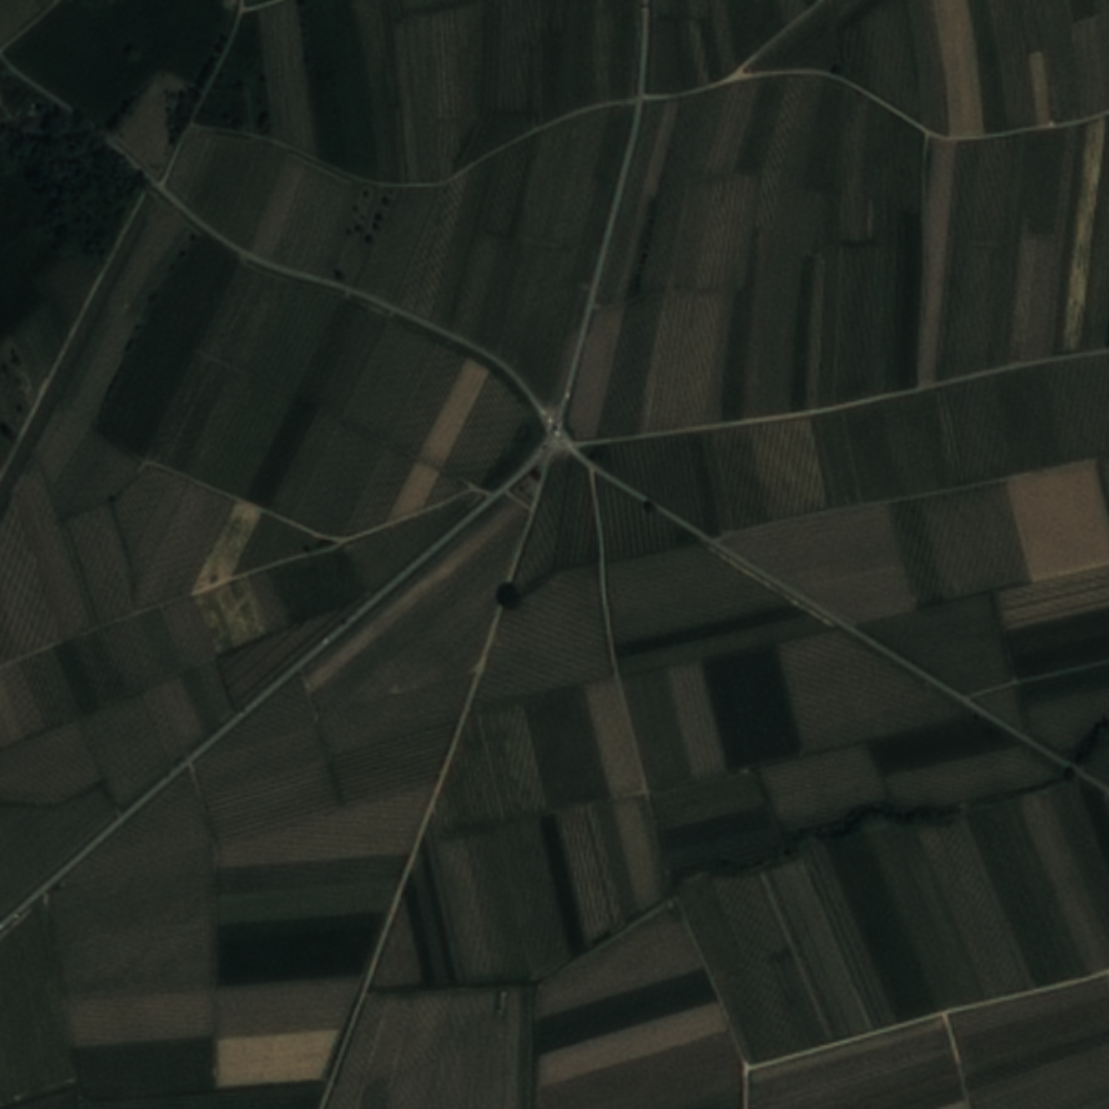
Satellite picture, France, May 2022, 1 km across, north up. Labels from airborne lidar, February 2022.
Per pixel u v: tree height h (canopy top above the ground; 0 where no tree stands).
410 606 0
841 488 0
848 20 0
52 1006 0
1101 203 0
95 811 0
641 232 0
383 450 0
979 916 0
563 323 0
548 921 0
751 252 0
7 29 0
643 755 0
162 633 0
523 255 0
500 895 0
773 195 0
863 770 0
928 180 0
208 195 0
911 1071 0
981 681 0
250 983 0
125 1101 0
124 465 0
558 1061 0
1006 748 0
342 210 0
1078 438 0
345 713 0
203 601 0
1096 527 0
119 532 0
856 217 0
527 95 0
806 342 0
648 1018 0
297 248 0
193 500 0
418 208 0
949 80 0
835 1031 0
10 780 0
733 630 0
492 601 0
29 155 11
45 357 0
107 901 0
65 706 0
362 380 0
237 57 0
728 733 0
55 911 0
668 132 0
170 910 0
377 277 0
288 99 0
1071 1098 0
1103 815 0
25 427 0
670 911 0
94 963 0
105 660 0
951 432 0
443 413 0
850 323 0
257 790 0
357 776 0
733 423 0
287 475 0
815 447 0
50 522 0
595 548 0
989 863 0
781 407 0
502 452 0
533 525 0
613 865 0
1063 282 0
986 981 0
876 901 0
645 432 0
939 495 0
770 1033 0
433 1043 0
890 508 0
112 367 0
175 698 0
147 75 0
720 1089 0
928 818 10
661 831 0
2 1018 0
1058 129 0
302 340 0
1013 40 0
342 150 0
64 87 0
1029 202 0
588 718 0
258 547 0
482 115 0
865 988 0
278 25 0
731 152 0
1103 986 0
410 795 0
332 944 0
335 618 0
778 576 0
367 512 0
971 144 0
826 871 0
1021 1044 0
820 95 0
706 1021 0
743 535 0
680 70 0
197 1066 0
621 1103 0
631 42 0
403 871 0
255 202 0
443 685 0
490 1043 0
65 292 0
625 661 0
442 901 0
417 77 0
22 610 0
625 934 0
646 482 0
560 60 0
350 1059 0
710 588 0
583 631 0
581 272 0
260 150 0
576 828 0
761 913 0
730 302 0
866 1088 0
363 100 0
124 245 0
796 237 0
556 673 0
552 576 0
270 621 0
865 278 0
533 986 0
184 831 0
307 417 0
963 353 0
